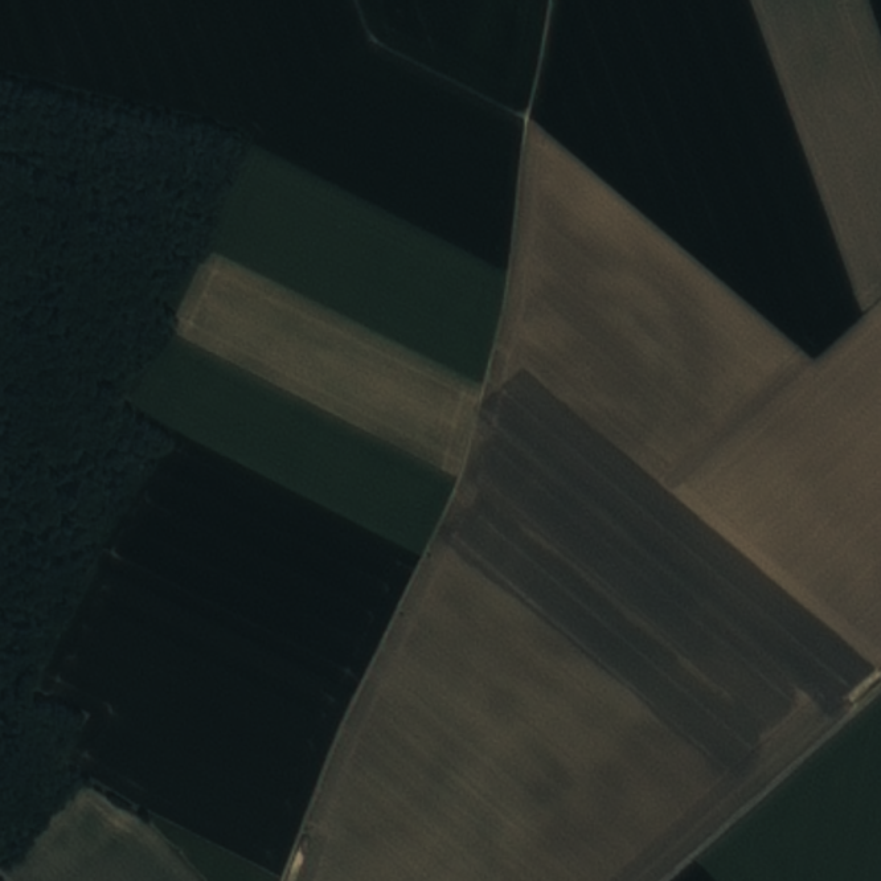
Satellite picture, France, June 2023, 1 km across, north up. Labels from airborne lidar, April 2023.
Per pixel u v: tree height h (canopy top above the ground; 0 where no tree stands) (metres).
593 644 0
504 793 0
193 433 0
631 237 0
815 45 0
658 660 0
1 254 27
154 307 22
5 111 23
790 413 0
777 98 0
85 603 0
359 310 0
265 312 0
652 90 0
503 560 0
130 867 0
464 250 0
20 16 0
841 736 0
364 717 0
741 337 0
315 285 0
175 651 0
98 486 23
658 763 0
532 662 0
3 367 25
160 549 0
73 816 0
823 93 0
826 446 0
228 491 0
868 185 0
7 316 21
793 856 0
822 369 0
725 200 0
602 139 0
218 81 0
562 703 0
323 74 0
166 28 0
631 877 0
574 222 0
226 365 0
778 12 0
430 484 0
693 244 0
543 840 0
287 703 0
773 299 0
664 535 0
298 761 0
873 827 0
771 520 0
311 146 0
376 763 0
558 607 0
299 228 0
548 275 0
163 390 0
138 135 25
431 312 0
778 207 0
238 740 0
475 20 0
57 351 24
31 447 17
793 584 0
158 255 23
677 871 0
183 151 24
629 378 0
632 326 0
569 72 0
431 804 0
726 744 0
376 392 0
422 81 0
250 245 0
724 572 0
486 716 0
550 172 0
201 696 0
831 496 0
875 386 0
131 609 0
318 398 0
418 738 0
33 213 24
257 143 0
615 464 0
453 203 0
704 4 0
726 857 0
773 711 0
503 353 0
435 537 0
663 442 0
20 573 24
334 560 0
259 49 0
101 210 23
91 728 0
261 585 0
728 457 0
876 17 0
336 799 0
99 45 0
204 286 0
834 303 0
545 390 0
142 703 0
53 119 20
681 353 0
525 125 0
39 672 19
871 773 0
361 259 0
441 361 0
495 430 0
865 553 0
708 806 0
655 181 0
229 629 0
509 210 0
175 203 19
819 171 0
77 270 22
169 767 0
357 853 0
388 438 0
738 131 0
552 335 0
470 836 0
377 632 0
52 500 24
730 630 0
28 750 27
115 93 0
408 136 0
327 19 0
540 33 0
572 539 0
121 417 20
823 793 0
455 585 0
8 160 23
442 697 0
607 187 0
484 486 0
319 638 0
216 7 0
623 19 0
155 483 0
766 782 0
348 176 0
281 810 0
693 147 0
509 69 0
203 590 0
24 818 18
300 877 0
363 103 0
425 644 0
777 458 0
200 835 0
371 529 0
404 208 0
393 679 0
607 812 0
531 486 0
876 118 0
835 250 0
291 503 0
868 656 0
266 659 0
